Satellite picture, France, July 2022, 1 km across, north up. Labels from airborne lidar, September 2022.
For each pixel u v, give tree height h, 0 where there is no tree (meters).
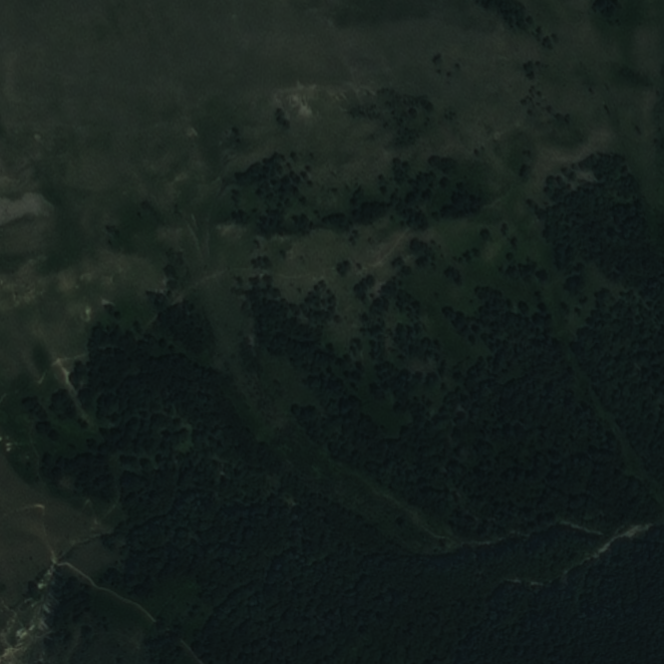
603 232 27
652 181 0
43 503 0
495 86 0
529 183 0
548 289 0
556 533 21
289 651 31
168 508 19
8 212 0
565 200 10
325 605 27
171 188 0
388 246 0
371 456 13
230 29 0
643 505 30
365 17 0
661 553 15
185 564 19
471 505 7
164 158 0
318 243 0
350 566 23
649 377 11
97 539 0
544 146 0
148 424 18
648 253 23
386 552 14
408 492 14
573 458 26
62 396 14
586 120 0
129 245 0
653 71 0
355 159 0
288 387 0
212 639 15
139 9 0
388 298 13
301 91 0
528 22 14
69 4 0
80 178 0
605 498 22
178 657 10
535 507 6
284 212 13
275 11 0
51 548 0
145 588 18
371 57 0
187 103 0
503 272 13
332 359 23
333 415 21
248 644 19
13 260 0
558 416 26
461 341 0
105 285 0
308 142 0
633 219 28
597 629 18
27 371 0
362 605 27
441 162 15
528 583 7
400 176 18
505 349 18
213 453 16
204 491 18
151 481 16
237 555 28
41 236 0
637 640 16
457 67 10
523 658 14
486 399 27
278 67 0
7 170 0
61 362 0
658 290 18
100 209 0
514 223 0
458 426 10
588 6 0
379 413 0
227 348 0
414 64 0
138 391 26
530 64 16
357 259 0
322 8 0
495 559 18
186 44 0
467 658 22
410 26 0
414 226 11
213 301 0
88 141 0
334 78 0
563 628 24
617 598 23
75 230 0
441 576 21
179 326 20
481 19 0
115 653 0
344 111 0
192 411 15
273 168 12
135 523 12
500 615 25
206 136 0
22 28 0
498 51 0
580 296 17
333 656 21
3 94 0
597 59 0
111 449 14
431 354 21
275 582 23
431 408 21
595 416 26
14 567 0
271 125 0
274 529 26
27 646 0
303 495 14
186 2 0
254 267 15
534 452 8
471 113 0
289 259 0
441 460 21
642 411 16
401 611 31
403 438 13
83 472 19
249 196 0
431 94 0
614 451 27
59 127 0
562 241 14
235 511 24
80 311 0
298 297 0
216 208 0
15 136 0
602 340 18
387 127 8
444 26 0
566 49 0
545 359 14
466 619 25
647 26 0
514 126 0
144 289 0
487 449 25
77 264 0
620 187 25
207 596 8
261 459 16
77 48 0
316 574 25
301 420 16
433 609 20
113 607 0
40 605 0
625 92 0
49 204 0
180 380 24
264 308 16
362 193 13
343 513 15
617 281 12
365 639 29
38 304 0
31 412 11
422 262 20
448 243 0
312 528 24
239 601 19
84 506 0
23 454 0
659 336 14
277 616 28
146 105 0
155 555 11
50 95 0
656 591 20
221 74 0
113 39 0
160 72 0
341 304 0
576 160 0
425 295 0
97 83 0
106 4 0
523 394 21
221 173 0
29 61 0
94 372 17
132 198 0
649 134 0
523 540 9
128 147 0
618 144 0
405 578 28
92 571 0
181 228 0
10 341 0
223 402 22
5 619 0
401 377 13
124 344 14
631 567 18
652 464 24
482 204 7
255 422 0
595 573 12
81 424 11
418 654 25
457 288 0
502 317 12
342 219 22
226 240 0
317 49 0
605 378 24
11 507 0
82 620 13
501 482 15
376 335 19
